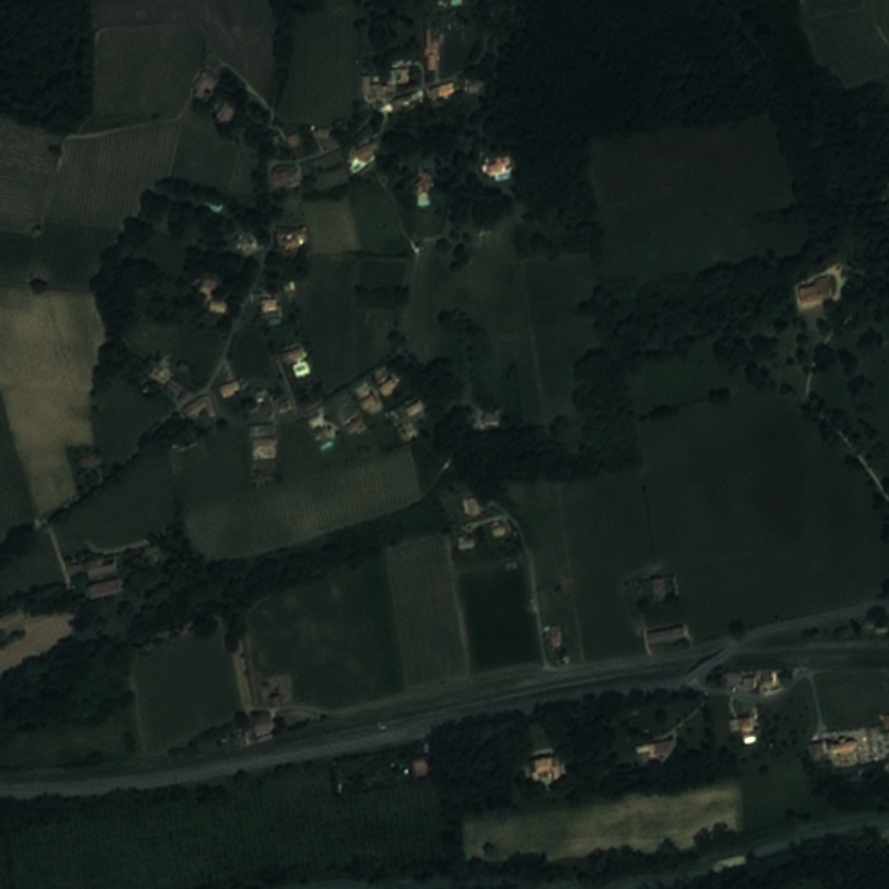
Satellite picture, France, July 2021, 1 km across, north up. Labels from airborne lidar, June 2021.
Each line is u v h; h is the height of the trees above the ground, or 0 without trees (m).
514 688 0
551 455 17
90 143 0
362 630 0
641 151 0
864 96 18
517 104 14
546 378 0
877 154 25
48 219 0
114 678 8
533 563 0
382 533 7
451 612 0
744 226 0
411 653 0
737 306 15
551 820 0
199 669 0
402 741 0
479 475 15
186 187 15
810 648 0
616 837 0
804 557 0
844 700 0
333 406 0
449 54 0
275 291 8
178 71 0
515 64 23
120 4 0
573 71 26
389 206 0
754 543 0
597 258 13
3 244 0
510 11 6
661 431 0
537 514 0
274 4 13
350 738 0
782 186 0
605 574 0
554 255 16
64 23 18
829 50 0
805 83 8
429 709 0
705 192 0
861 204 13
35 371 0
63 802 15
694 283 7
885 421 0
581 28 22
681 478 0
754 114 13
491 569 0
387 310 0
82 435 0
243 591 13
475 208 10
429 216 0
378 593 0
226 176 0
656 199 0
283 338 0
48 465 0
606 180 0
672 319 13
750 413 0
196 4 0
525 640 0
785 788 0
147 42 0
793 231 0
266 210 11
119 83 0
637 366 22
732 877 13
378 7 19
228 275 14
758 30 8
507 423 12
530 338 0
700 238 0
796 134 21
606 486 0
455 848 24
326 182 0
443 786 26
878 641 0
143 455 10
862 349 12
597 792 15
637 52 26
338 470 0
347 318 0
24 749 0
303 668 0
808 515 0
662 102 31
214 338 0
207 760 0
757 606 0
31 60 8
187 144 0
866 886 13
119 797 13
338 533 6
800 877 9
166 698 0
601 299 18
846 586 0
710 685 8
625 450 6
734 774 7
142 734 0
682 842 0
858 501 0
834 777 15
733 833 25
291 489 0
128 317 13
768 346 24
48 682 18
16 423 0
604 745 16
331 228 0
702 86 28
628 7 25
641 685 0
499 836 0
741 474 0
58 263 0
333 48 0
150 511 0
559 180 15
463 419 13
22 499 0
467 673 0
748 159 0
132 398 0
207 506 0
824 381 0
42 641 0
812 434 0
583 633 0
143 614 9
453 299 0
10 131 0
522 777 8
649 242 0
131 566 10
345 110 0
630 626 0
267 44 0
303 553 8
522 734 21
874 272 16
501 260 0
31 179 0
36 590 15
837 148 25
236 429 0
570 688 0
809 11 0
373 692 0
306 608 0
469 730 23
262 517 0
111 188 0
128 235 14
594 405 9
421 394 17
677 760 16
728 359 27
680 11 17
